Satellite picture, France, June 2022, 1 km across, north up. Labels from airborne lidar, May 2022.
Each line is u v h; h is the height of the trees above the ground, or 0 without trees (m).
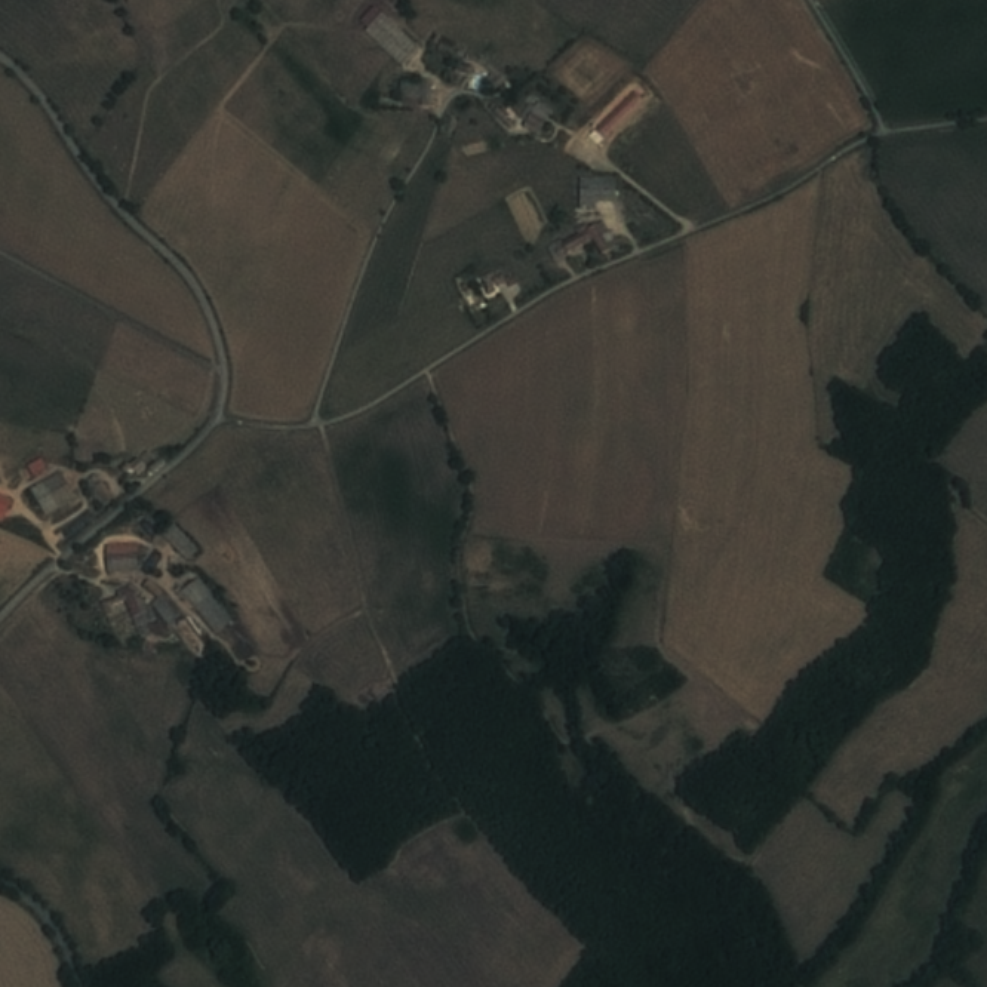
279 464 0
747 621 0
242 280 0
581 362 0
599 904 13
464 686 15
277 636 0
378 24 0
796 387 0
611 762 20
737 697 0
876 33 0
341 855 15
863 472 14
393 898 0
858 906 12
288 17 0
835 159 0
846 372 0
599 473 0
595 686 9
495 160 0
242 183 0
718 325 0
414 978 0
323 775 20
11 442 0
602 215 0
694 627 0
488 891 0
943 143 0
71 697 0
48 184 0
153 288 0
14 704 0
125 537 0
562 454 0
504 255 0
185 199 0
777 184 0
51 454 0
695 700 0
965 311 0
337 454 0
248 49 0
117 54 0
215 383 0
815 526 0
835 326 0
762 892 12
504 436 0
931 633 15
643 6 0
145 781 0
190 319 0
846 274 0
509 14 0
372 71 0
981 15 0
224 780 0
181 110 0
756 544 0
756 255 0
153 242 0
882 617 17
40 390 0
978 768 0
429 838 0
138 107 0
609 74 0
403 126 0
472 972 0
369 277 0
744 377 0
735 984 16
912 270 0
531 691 20
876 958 0
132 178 0
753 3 0
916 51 0
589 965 13
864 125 0
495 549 0
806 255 0
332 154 0
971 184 0
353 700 0
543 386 0
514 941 0
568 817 21
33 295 0
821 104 0
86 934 0
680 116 0
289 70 0
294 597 0
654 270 0
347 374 0
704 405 0
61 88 0
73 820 0
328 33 0
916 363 13
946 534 17
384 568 0
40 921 6
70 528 0
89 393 0
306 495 0
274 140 0
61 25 0
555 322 0
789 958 9
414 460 0
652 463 0
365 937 0
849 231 0
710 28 0
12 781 0
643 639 0
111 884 0
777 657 0
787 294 0
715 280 0
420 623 0
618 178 6
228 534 0
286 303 0
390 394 0
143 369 0
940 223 0
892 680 11
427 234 0
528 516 0
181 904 17
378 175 0
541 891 13
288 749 21
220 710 12
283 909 0
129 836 0
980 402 13
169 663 0
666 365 0
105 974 16
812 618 0
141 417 0
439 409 10
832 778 0
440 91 0
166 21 0
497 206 0
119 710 0
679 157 0
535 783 18
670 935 15
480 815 11
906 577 17
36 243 0
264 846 0
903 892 0
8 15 0
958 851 0
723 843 0
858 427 14
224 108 0
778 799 15
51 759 0
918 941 0
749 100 0
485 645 15
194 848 11
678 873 16
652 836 21
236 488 0
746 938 14
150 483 0
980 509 0
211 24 0
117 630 0
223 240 0
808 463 0
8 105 0
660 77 0
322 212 0
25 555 0
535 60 0
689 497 0
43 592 0
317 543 0
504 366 0
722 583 0
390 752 14
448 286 0
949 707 0
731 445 0
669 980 18
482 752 13
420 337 0
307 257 0
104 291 0
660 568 0
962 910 14
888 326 0
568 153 0
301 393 0
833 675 16
